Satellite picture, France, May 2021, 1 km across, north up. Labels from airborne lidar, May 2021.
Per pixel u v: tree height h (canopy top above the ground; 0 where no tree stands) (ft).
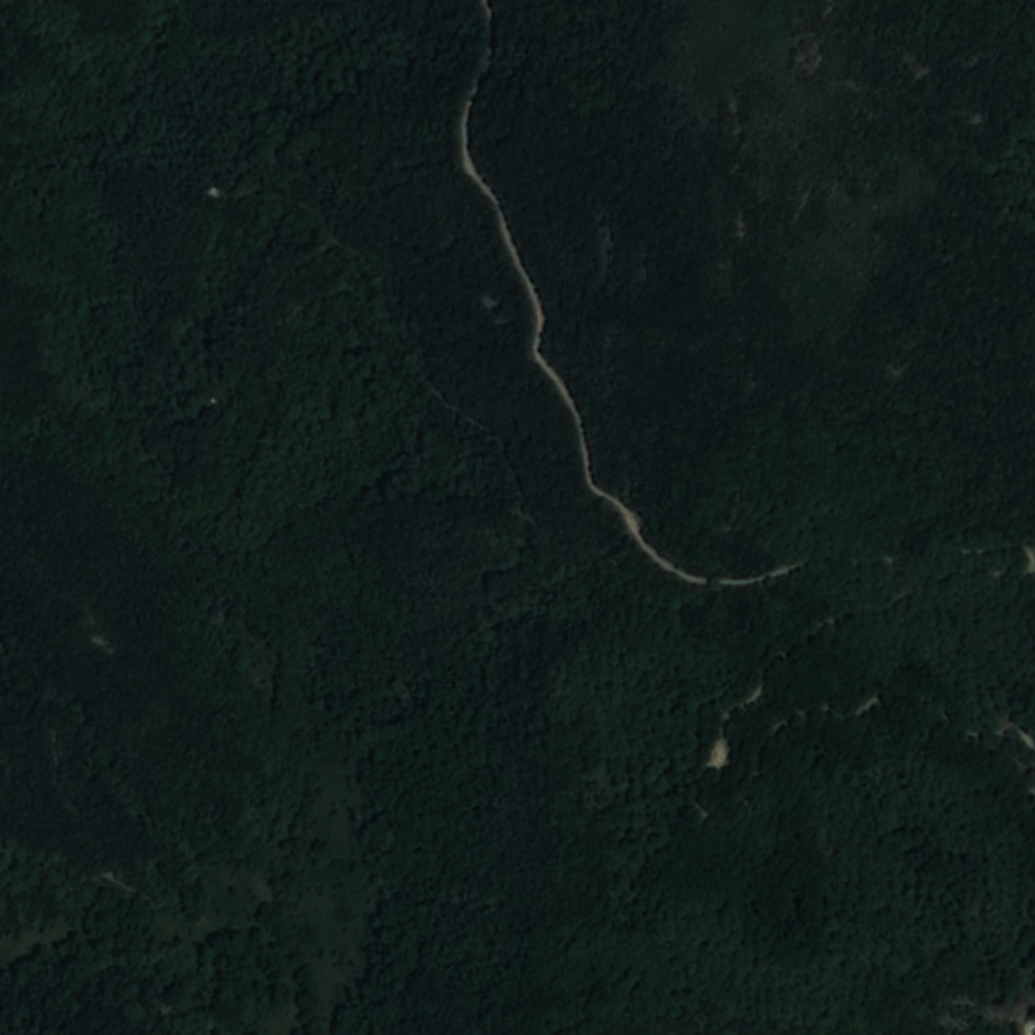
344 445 42
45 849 30
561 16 44
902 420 55
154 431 48
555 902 46
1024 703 42
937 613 47
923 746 34
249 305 43
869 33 33
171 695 43
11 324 22
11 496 39
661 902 40
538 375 38
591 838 37
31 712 43
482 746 77
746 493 36
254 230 29
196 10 37
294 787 58
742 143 31
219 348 64
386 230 33
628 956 62
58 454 49
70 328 57
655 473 36
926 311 58
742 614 41
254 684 24
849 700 49
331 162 41
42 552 32
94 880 46
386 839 79
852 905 68
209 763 38
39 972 47
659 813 42
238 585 76
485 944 21
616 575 37
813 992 59
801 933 90
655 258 23
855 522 78
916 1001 45
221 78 62
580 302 29
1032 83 63
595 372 23
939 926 91
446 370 32
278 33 68
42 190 84
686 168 22
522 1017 50
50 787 51
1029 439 48
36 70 53
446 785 81
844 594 59
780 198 22
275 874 56
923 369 45
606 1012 53
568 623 43
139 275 37
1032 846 63
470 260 34
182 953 58
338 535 50
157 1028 58
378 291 47
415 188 44
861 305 32
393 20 51
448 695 75
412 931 65
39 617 39
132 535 52
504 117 39
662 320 24
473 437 37
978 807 69
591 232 39
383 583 43
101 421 50
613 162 46
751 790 58
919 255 52
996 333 65
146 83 69
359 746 43
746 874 88
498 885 52
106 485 35
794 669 63
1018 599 50
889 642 60
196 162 58
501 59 46
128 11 41
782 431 41
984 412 62
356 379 45
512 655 37
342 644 48
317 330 51
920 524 55
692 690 47
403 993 36
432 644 50
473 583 30
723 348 31
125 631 47
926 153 26
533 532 53
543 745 38
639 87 33
